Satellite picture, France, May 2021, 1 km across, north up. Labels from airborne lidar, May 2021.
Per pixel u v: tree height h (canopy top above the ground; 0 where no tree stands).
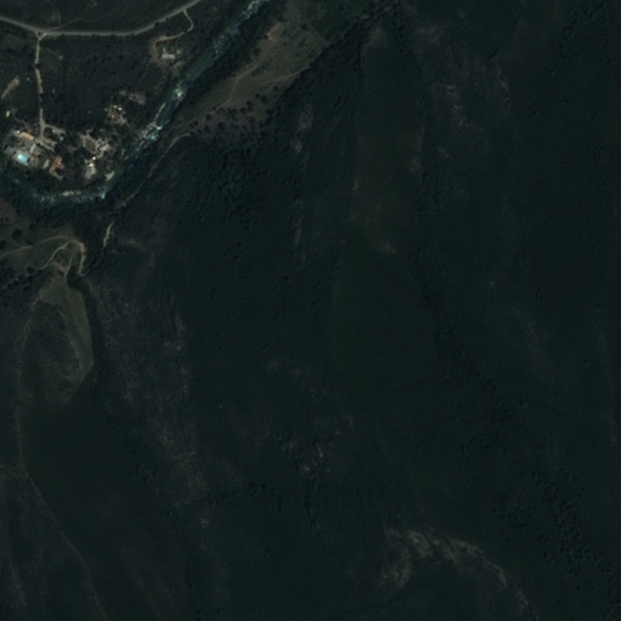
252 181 13
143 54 0
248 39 12
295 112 11
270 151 7
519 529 12
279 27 0
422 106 8
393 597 6
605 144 6
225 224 8
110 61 8
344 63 8
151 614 5
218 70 12
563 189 6
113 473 6
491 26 5
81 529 5
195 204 11
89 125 12
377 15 19
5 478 0
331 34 8
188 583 7
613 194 5
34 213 7
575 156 6
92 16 0
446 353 11
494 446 13
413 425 5
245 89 0
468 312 5
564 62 6
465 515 5
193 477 0
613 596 13
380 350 5
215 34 14
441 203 13
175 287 5
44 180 14
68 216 7
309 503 7
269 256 8
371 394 5
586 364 11
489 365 6
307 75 16
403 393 6
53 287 0
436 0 5
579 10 7
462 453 6
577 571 7
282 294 6
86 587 0
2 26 9
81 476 6
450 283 6
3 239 0
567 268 6
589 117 6
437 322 9
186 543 6
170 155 6
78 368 0
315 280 6
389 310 6
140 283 0
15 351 0
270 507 6
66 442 6
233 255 6
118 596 6
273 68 0
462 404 7
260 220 7
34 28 0
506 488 8
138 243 0
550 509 8
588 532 7
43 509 0
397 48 6
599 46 7
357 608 7
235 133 27
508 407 8
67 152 9
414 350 6
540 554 6
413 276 8
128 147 8
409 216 6
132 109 6
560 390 6
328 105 6
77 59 0
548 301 6
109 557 6
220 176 14
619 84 5
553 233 5
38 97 6
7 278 7
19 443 0
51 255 0
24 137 0
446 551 0
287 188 8
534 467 6
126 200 11
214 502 12
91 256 13
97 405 6
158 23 8
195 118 0
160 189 6
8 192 11
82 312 0
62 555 0
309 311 6
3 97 0
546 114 6
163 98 12
